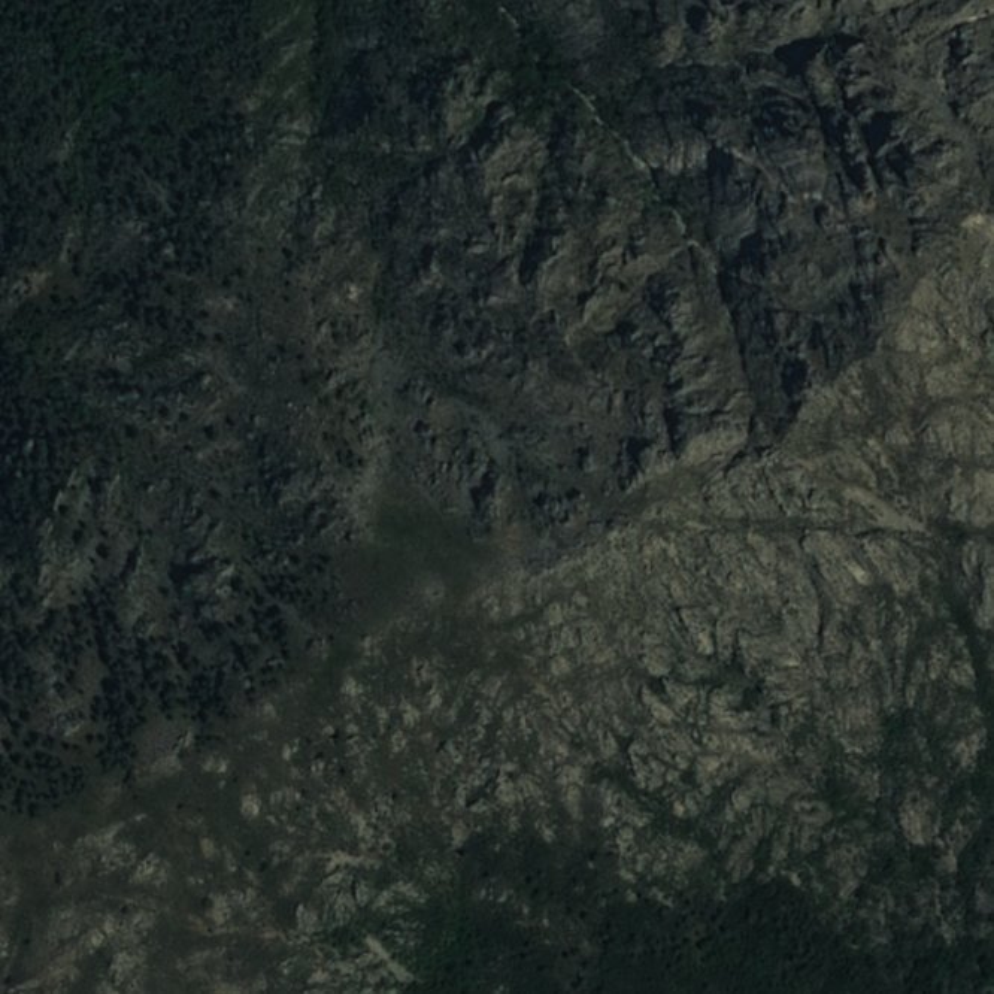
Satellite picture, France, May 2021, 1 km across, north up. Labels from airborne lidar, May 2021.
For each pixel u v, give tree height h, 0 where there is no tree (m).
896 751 6
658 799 6
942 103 0
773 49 6
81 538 21
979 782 7
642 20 15
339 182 7
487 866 6
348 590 0
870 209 0
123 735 13
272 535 8
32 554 6
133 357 12
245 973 0
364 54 6
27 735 6
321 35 7
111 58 12
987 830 6
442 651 0
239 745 0
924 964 15
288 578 10
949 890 12
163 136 20
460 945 13
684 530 0
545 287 0
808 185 0
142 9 16
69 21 12
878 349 0
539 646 0
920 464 0
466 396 10
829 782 11
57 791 12
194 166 18
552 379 0
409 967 7
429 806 0
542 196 10
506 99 8
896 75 0
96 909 0
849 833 7
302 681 0
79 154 10
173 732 0
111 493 17
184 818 0
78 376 11
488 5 8
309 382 12
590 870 6
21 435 11
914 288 0
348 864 8
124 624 19
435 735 0
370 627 0
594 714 0
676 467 0
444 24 6
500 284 0
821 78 0
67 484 8
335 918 5
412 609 0
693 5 0
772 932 11
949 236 0
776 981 20
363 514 0
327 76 6
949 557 7
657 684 13
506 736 0
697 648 7
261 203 7
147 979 0
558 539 0
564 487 0
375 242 13
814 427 0
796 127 12
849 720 0
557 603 0
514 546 0
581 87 9
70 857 0
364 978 9
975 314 0
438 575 0
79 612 23
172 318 19
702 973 7
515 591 0
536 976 7
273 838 0
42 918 0
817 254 0
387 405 6
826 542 0
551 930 7
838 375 0
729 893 13
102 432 22
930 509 0
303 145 9
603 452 0
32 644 20
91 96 15
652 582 0
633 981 6
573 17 0
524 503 0
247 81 15
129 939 0
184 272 12
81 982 0
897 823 8
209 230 12
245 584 22
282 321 0
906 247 0
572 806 0
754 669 7
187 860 0
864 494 0
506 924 7
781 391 0
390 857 9
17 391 22
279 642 15
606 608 0
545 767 0
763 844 10
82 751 12
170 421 13
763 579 0
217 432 19
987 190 0
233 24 12
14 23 15
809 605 0
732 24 16
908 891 9
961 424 0
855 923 7
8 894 0
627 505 0
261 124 7
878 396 0
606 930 7
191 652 22
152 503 0
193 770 0
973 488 0
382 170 6
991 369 0
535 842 7
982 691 9
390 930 8
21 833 0
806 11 0
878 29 0
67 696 17
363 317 16
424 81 12
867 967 8
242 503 7
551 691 0
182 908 0
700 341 0
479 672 0
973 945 11
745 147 0
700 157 0
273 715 0
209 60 17
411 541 0
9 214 17
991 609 0
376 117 17
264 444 7
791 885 7
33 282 11
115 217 7
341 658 0
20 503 10
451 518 0
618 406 0
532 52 20
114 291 21
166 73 21
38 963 0
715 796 7
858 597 0
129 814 0
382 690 0
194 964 0
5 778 12
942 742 7
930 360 0
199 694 14
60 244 9
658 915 8
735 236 0
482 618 0
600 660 0
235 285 11
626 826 11
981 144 0
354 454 10
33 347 11
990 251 0
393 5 11
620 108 7
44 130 20
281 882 0
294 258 18
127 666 14
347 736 14
